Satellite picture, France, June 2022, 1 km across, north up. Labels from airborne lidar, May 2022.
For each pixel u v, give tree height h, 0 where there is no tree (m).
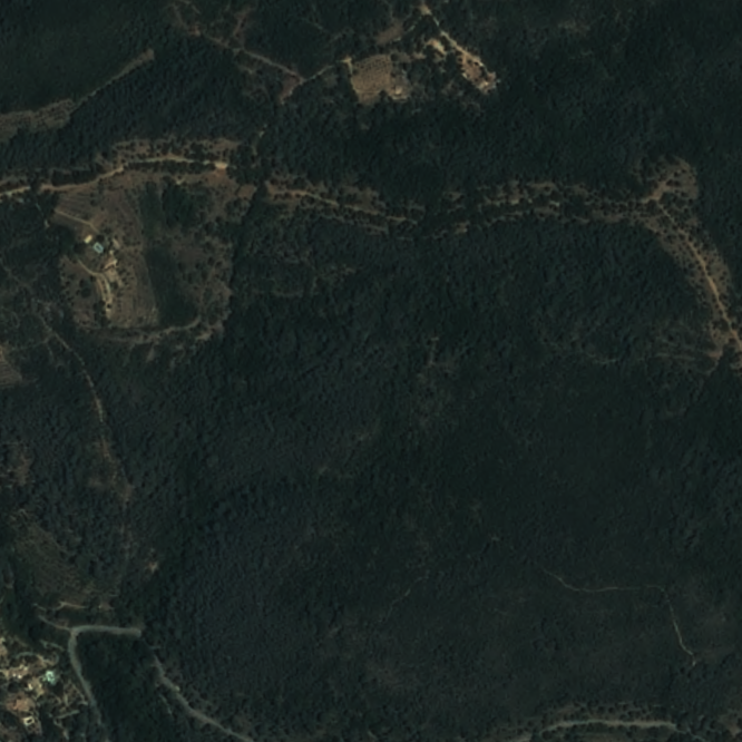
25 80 8
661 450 6
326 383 18
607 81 9
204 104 12
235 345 20
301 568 7
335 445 13
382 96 7
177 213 9
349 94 11
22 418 13
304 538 13
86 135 15
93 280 7
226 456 10
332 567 6
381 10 8
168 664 21
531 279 6
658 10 8
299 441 14
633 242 17
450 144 13
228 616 16
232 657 15
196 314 9
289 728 15
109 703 16
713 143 6
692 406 9
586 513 6
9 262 6
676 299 13
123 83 12
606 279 15
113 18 6
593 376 6
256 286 6
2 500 13
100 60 7
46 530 17
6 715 8
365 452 6
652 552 8
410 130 14
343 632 7
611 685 7
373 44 8
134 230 0
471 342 13
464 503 7
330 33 6
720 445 7
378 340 13
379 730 17
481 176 19
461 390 7
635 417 7
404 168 16
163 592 20
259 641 11
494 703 7
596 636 8
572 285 18
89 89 10
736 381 9
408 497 7
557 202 13
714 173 8
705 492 12
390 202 20
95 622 24
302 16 6
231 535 13
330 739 8
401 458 11
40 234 6
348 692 8
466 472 6
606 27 10
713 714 10
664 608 6
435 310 15
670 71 6
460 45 6
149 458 21
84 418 15
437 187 16
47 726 13
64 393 6
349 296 12
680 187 15
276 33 9
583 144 11
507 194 12
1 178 8
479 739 7
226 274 7
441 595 11
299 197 7
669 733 8
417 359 10
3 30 7
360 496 12
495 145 15
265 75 22
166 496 19
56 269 9
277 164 18
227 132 18
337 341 14
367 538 6
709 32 6
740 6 5
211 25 11
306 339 18
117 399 19
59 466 14
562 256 18
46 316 7
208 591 16
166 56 12
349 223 6
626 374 14
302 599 13
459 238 16
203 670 13
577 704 13
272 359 14
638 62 7
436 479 8
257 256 10
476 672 8
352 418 17
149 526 12
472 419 5
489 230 13
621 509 7
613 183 11
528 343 8
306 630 16
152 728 18
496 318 17
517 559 11
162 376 6
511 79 12
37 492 26
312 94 15
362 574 7
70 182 11
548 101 18
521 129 17
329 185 17
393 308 18
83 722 22
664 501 7
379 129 12
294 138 18
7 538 18
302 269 17
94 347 7
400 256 17
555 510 7
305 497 14
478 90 7
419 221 16
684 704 15
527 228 18
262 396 11
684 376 16
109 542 21
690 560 8
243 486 12
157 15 13
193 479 17
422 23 8
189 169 8
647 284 15
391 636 7
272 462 15
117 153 7
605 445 7
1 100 9
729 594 7
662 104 7
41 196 9
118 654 12
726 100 8
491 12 7
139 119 9
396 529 6
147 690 14
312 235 19
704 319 6
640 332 13
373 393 14
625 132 15
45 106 14
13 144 15
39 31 6
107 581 16
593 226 14
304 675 15
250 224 10
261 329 12
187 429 17
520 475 6
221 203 0
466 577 14
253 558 13
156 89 12
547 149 16
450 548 9
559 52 12
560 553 8
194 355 7
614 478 7
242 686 16
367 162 14
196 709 19
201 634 7
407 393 13
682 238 8
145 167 10
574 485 6
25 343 9
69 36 6
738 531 18
